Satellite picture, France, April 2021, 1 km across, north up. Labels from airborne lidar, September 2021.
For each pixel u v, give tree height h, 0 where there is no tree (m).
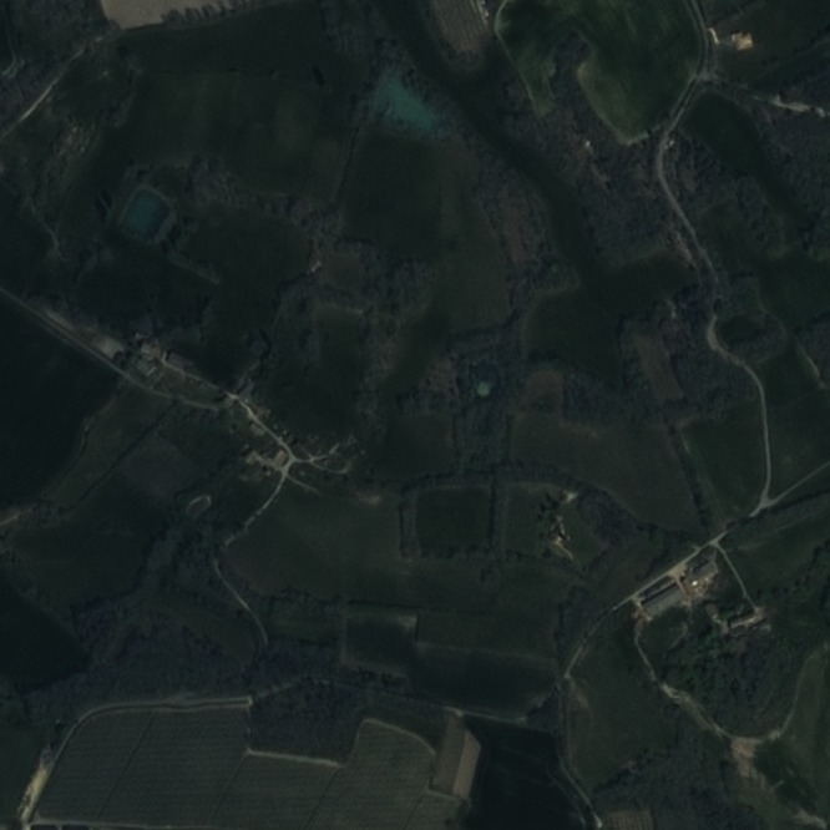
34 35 0
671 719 15
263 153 0
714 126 0
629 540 16
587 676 0
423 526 0
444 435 0
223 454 0
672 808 19
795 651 7
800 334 12
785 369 0
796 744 0
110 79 0
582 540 0
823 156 17
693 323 9
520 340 17
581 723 0
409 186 0
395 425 0
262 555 0
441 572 0
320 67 0
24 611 0
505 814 0
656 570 14
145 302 0
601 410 16
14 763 0
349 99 0
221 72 0
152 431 6
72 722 15
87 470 0
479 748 0
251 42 0
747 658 12
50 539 0
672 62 0
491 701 0
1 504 0
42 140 0
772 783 0
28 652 0
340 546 0
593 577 16
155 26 6
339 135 0
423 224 0
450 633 0
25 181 0
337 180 0
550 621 0
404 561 9
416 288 22
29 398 0
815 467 0
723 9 0
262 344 19
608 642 11
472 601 0
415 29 0
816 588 10
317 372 6
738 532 16
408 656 0
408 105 0
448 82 0
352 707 14
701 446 0
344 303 16
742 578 0
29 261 0
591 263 0
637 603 0
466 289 0
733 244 0
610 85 0
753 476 0
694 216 12
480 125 0
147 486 0
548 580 0
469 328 0
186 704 0
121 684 19
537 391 0
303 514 0
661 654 0
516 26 0
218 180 13
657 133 6
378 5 0
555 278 19
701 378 20
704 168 12
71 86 0
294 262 0
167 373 0
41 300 11
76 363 0
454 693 0
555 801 0
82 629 18
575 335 0
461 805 0
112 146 0
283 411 0
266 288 0
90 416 0
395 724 0
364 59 0
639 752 0
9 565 14
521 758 0
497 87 0
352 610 7
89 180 0
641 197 13
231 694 17
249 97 0
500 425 15
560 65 12
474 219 0
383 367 17
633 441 0
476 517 0
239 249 0
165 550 19
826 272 0
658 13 0
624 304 0
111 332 11
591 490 7
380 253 14
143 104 0
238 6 18
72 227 0
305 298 13
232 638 0
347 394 0
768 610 0
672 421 16
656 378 0
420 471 0
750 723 14
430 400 7
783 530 14
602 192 10
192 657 16
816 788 0
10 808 0
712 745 0
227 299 0
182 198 0
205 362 0
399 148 0
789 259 0
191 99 0
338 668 20
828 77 18
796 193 18
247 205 18
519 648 0
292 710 11
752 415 0
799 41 0
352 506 0
